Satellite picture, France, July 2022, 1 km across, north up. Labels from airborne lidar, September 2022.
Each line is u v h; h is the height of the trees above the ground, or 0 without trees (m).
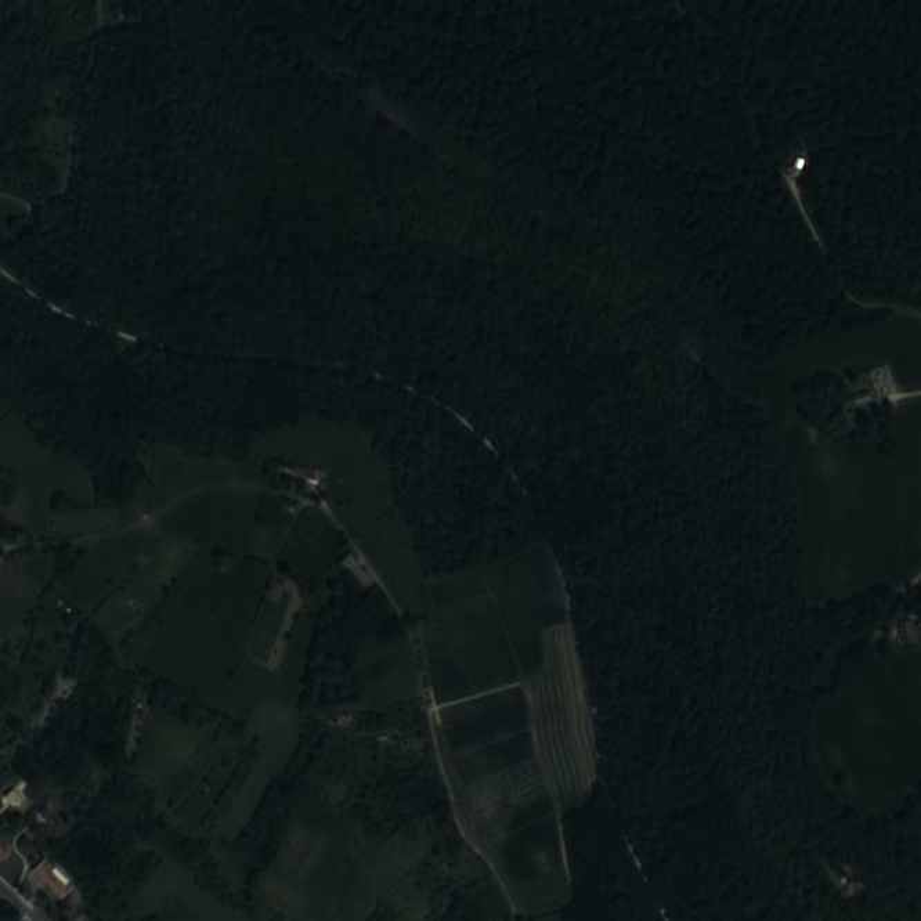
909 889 16
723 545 19
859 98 23
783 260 28
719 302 23
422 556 16
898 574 0
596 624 31
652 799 23
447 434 22
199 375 19
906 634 0
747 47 24
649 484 25
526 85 22
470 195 13
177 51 16
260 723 0
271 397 16
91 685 14
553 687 0
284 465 9
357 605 21
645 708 33
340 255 25
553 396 23
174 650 0
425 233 24
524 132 24
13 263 20
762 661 21
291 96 21
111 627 0
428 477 25
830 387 26
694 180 23
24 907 0
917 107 24
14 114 19
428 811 12
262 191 22
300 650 0
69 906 13
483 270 27
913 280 23
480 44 27
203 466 0
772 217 26
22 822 9
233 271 23
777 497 27
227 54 15
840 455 0
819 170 21
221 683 0
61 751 21
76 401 15
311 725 5
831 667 0
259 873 12
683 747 29
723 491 20
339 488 0
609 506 19
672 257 21
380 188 18
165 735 0
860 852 19
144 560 0
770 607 25
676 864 21
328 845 0
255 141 16
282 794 22
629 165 24
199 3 18
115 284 14
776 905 23
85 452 25
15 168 9
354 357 26
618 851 16
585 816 15
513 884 0
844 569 0
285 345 20
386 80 24
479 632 0
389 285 20
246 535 0
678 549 30
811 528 0
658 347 17
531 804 0
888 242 25
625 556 28
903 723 0
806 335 19
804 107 28
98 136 15
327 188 19
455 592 0
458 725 0
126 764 6
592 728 0
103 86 19
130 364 6
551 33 19
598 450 22
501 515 23
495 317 24
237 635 0
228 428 17
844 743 0
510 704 0
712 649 16
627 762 24
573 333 10
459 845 15
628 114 22
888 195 23
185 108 17
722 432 29
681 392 19
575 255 15
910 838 15
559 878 0
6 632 0
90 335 19
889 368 0
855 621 22
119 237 19
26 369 18
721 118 25
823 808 15
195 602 0
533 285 20
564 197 21
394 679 0
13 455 0
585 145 25
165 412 16
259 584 0
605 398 21
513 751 0
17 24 20
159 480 0
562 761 0
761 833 14
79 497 0
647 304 14
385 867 0
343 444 0
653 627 30
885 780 0
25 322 24
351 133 19
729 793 21
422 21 26
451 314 30
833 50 23
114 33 15
